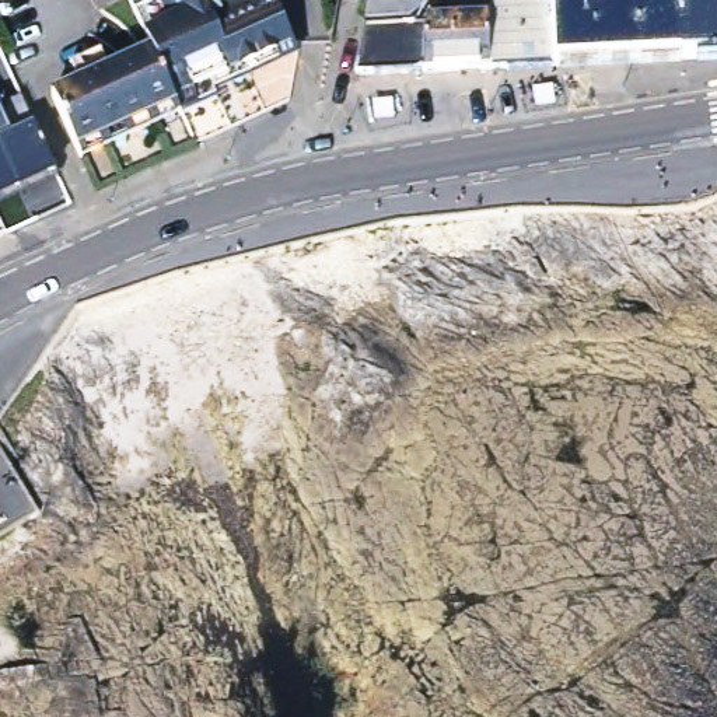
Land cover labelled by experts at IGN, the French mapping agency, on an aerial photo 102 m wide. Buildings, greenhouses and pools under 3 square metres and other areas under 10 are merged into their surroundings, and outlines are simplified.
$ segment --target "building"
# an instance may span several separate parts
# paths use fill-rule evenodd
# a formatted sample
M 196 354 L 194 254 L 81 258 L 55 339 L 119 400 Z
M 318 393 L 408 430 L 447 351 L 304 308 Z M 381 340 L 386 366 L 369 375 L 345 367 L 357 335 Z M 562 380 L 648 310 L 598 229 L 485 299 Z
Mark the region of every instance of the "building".
M 294 39 L 291 22 L 280 0 L 162 0 L 162 8 L 154 11 L 148 20 L 157 39 L 162 39 L 160 50 L 154 50 L 146 42 L 146 36 L 140 36 L 137 42 L 129 42 L 115 50 L 104 48 L 98 56 L 90 56 L 81 64 L 62 67 L 56 90 L 62 98 L 70 101 L 70 115 L 78 134 L 101 132 L 104 140 L 115 134 L 132 129 L 132 112 L 143 109 L 151 101 L 174 98 L 185 106 L 202 101 L 210 90 L 210 81 L 221 81 L 227 76 L 230 59 L 244 59 L 246 53 L 263 45 Z
M 462 53 L 496 62 L 507 56 L 552 56 L 555 64 L 560 64 L 563 56 L 588 53 L 597 56 L 599 67 L 667 64 L 683 59 L 717 62 L 717 0 L 367 0 L 367 11 L 359 14 L 367 25 L 361 64 L 375 67 L 415 64 L 423 59 Z
M 11 34 L 6 28 L 8 17 L 0 14 L 0 70 L 14 90 L 14 109 L 20 112 L 11 123 L 0 101 L 0 216 L 8 227 L 28 216 L 42 216 L 59 207 L 62 196 L 56 179 L 64 165 L 53 165 L 45 132 L 28 112 L 22 98 L 25 78 L 20 67 L 36 56 L 31 53 L 31 45 L 39 39 L 39 28 L 28 25 Z

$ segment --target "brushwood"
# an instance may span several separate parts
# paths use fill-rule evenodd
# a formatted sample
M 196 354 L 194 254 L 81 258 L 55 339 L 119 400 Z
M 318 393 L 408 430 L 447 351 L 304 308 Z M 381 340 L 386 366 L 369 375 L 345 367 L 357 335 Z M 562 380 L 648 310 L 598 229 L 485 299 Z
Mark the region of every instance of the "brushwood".
M 95 188 L 118 185 L 165 160 L 196 151 L 199 137 L 174 140 L 165 120 L 151 123 L 146 132 L 146 146 L 160 143 L 160 148 L 137 160 L 126 157 L 115 146 L 115 134 L 104 140 L 104 148 L 112 160 L 109 174 L 101 174 L 92 154 L 84 154 L 90 182 Z

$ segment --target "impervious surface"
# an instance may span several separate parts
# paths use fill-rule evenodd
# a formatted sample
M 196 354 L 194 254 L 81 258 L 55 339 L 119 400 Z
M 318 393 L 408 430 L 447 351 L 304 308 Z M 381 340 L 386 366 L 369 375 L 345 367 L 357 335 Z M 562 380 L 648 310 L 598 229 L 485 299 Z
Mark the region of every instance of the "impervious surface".
M 115 146 L 126 157 L 137 160 L 160 148 L 160 143 L 146 146 L 146 132 L 151 123 L 165 120 L 174 140 L 199 137 L 196 151 L 165 160 L 118 185 L 95 188 L 90 182 L 84 154 L 92 154 L 101 174 L 109 174 L 112 160 L 104 148 L 104 140 L 101 132 L 78 134 L 70 115 L 70 101 L 62 98 L 56 90 L 62 67 L 81 64 L 90 56 L 98 56 L 104 48 L 115 50 L 129 42 L 137 42 L 140 36 L 146 36 L 146 42 L 154 50 L 160 50 L 162 39 L 157 39 L 148 20 L 154 11 L 162 8 L 162 0 L 126 0 L 137 22 L 120 31 L 109 25 L 115 17 L 109 14 L 109 6 L 118 0 L 0 0 L 0 14 L 8 17 L 6 28 L 11 34 L 28 25 L 39 28 L 39 39 L 31 45 L 31 53 L 36 56 L 20 67 L 25 78 L 22 98 L 28 112 L 45 132 L 53 165 L 64 165 L 56 179 L 62 196 L 59 207 L 42 216 L 28 216 L 8 227 L 0 216 L 0 423 L 11 409 L 11 403 L 3 395 L 6 384 L 39 359 L 45 344 L 59 333 L 62 322 L 76 305 L 171 272 L 395 218 L 501 207 L 661 207 L 717 193 L 717 62 L 683 59 L 667 64 L 599 67 L 597 56 L 588 53 L 563 56 L 560 64 L 555 64 L 552 56 L 507 56 L 496 62 L 462 53 L 423 59 L 415 64 L 375 67 L 361 64 L 367 25 L 359 14 L 367 11 L 367 0 L 280 0 L 291 22 L 294 39 L 263 45 L 246 53 L 244 59 L 230 59 L 227 76 L 221 81 L 210 81 L 210 90 L 202 101 L 185 106 L 174 98 L 151 101 L 143 109 L 132 112 L 132 129 L 115 134 Z
M 14 465 L 0 448 L 0 518 L 17 521 L 28 510 L 17 496 L 17 482 L 3 482 L 3 473 L 8 473 Z
M 0 70 L 0 101 L 11 123 L 20 112 L 14 109 L 14 90 Z

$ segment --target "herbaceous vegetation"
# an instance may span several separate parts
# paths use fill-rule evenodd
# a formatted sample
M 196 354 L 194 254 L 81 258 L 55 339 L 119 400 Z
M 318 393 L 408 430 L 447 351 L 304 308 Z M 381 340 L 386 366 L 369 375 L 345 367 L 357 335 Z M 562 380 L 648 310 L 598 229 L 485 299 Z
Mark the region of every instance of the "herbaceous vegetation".
M 109 14 L 115 17 L 109 25 L 120 31 L 137 22 L 126 0 L 118 0 L 109 6 Z

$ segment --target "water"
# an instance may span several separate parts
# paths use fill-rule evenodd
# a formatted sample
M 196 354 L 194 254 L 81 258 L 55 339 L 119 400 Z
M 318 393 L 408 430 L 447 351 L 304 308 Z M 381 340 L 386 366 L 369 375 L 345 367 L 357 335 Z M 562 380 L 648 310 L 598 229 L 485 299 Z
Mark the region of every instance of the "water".
M 316 644 L 308 644 L 305 653 L 297 653 L 297 627 L 280 627 L 280 622 L 274 619 L 272 625 L 258 622 L 263 650 L 241 661 L 238 683 L 230 686 L 232 700 L 241 706 L 241 717 L 333 717 L 339 669 L 333 669 L 325 661 L 325 653 Z

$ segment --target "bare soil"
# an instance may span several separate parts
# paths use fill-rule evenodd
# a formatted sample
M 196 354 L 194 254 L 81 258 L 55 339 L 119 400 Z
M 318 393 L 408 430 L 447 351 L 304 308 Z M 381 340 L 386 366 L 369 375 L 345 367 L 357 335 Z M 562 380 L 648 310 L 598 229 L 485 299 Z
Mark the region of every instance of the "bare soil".
M 333 669 L 339 669 L 333 717 L 717 717 L 717 193 L 661 207 L 501 207 L 395 218 L 171 272 L 76 305 L 62 322 L 59 333 L 45 344 L 39 359 L 6 384 L 3 395 L 11 403 L 11 409 L 0 423 L 0 448 L 14 465 L 8 473 L 3 473 L 3 482 L 17 482 L 17 496 L 28 510 L 17 521 L 0 518 L 0 717 L 241 717 L 241 706 L 232 700 L 230 686 L 238 683 L 241 661 L 263 650 L 258 622 L 272 625 L 274 619 L 280 622 L 280 627 L 297 627 L 297 653 L 305 653 L 308 644 L 316 644 L 325 653 L 325 661 Z

